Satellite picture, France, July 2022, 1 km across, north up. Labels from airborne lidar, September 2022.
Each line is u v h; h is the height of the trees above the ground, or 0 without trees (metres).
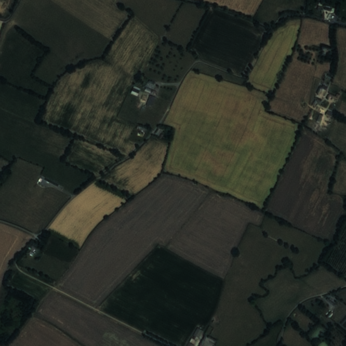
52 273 0
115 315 0
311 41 0
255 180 0
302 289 0
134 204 0
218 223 0
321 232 0
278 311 0
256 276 0
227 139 0
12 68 0
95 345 0
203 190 0
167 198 0
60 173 0
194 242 0
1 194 0
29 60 0
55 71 0
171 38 0
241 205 0
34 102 0
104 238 0
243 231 0
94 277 0
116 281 0
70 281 0
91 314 0
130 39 0
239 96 0
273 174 0
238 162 0
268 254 0
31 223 0
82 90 0
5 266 0
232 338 0
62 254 0
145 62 0
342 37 0
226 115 0
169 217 0
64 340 0
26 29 0
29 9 0
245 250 0
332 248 19
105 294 0
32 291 0
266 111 6
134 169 0
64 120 0
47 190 0
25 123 0
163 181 0
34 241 9
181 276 0
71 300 0
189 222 0
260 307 0
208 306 0
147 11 0
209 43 0
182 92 0
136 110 0
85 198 0
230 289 0
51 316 0
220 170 0
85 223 0
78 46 0
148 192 0
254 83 0
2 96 0
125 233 0
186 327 0
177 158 0
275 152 0
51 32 0
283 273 0
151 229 0
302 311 20
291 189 0
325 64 0
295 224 0
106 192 0
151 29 0
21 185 0
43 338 0
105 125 0
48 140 0
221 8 8
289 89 0
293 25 0
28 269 13
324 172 0
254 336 0
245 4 0
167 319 0
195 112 0
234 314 0
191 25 0
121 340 0
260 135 0
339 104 0
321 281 0
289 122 0
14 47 0
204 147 0
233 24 0
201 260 0
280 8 0
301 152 0
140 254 0
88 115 0
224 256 0
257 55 12
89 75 0
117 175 0
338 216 0
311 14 9
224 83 0
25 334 0
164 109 0
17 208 0
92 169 0
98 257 0
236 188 0
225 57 0
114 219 0
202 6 17
